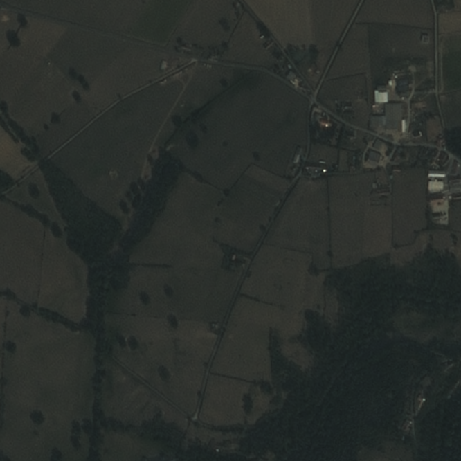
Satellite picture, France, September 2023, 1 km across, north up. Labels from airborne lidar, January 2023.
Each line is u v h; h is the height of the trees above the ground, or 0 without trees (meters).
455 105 0
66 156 0
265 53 0
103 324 12
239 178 0
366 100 0
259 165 0
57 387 0
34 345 0
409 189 0
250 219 0
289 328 0
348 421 16
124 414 0
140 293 0
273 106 0
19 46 0
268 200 0
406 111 0
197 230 0
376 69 0
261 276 0
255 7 0
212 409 0
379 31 0
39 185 0
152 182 34
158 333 0
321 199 0
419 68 0
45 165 9
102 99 0
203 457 25
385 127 0
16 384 0
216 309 0
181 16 0
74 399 0
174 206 0
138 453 0
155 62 0
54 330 0
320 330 21
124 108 0
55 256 0
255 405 0
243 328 0
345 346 23
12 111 0
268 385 11
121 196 0
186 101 0
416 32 0
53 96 0
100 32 0
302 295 0
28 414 0
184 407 0
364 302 20
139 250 0
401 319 0
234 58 0
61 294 0
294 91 0
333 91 0
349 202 0
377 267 6
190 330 0
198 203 0
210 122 0
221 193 0
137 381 0
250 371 0
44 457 0
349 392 25
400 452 0
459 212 0
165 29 0
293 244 0
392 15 0
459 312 14
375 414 12
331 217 0
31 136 0
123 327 0
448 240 0
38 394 0
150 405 0
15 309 0
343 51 0
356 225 0
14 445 0
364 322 23
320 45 0
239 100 0
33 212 15
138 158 0
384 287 20
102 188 0
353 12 0
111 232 20
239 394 0
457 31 0
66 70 0
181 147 0
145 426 19
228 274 0
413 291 23
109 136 0
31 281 0
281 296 0
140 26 0
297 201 0
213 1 0
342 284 18
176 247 0
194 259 0
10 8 0
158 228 0
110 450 0
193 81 0
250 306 0
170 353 0
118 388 0
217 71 0
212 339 0
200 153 0
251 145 0
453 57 0
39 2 0
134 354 0
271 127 0
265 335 0
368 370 25
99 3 0
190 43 0
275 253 0
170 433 17
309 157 0
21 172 0
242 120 0
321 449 31
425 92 0
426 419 16
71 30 0
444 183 0
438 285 20
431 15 0
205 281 0
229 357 0
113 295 0
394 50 0
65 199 7
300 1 0
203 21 0
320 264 0
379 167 7
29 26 0
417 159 6
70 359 0
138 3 0
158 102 0
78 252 17
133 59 0
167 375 13
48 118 0
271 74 0
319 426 10
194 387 0
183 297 0
